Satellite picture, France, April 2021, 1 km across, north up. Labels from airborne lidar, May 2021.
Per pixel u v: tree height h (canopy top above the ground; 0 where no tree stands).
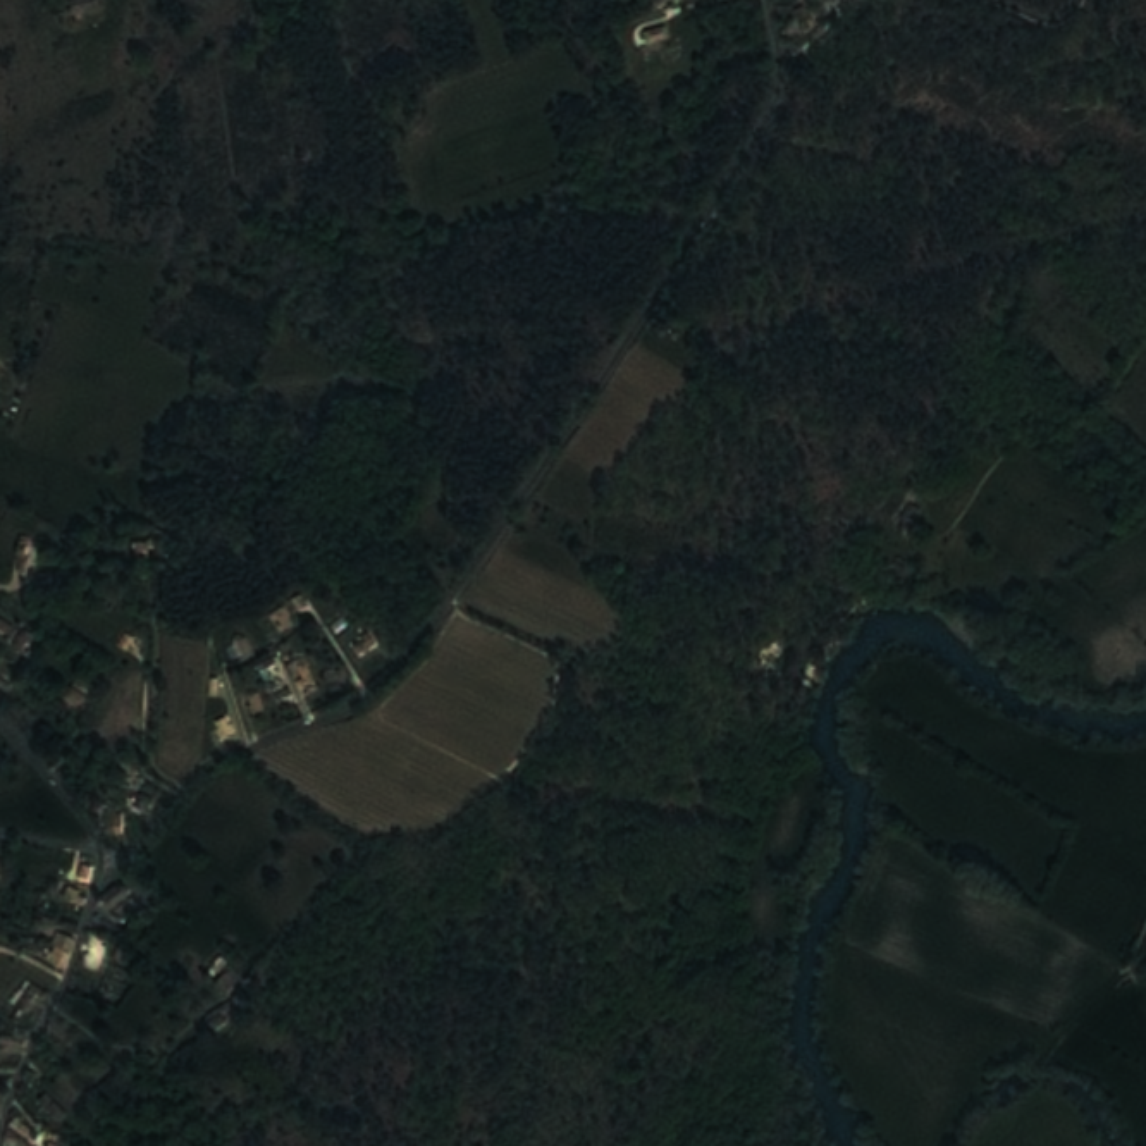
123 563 8
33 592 17
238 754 18
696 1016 14
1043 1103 0
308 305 26
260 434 18
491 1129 8
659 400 0
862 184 20
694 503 7
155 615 7
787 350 26
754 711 15
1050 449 21
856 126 17
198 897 0
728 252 19
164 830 15
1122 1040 0
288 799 14
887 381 19
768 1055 17
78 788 11
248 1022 21
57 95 0
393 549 21
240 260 11
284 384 0
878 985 0
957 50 22
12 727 17
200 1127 17
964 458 24
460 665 0
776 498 21
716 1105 14
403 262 17
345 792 0
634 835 25
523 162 0
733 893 26
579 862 22
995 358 17
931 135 25
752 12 14
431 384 13
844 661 0
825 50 13
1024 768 0
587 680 9
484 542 16
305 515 19
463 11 15
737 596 12
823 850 17
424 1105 23
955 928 0
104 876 0
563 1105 8
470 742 0
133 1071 19
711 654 22
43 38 0
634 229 23
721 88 16
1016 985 0
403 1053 23
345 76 21
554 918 12
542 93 0
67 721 11
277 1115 12
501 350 14
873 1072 0
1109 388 7
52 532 0
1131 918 0
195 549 15
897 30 13
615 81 15
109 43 0
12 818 0
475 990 23
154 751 12
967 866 22
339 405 17
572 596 0
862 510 10
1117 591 0
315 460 18
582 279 20
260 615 15
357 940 17
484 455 16
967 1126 16
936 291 18
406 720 0
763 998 23
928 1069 0
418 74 21
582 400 16
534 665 0
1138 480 21
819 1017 17
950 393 19
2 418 8
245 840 0
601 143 21
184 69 0
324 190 22
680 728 27
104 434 0
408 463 28
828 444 7
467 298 25
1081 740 6
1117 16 21
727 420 26
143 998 0
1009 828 0
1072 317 0
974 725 0
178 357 12
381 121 23
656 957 17
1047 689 13
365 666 0
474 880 16
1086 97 18
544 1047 6
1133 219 7
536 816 12
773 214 20
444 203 0
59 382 0
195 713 0
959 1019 0
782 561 20
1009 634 32
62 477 0
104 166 0
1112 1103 12
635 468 18
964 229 0
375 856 18
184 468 13
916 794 0
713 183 20
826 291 10
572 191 10
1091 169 12
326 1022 12
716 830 29
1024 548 0
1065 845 7
